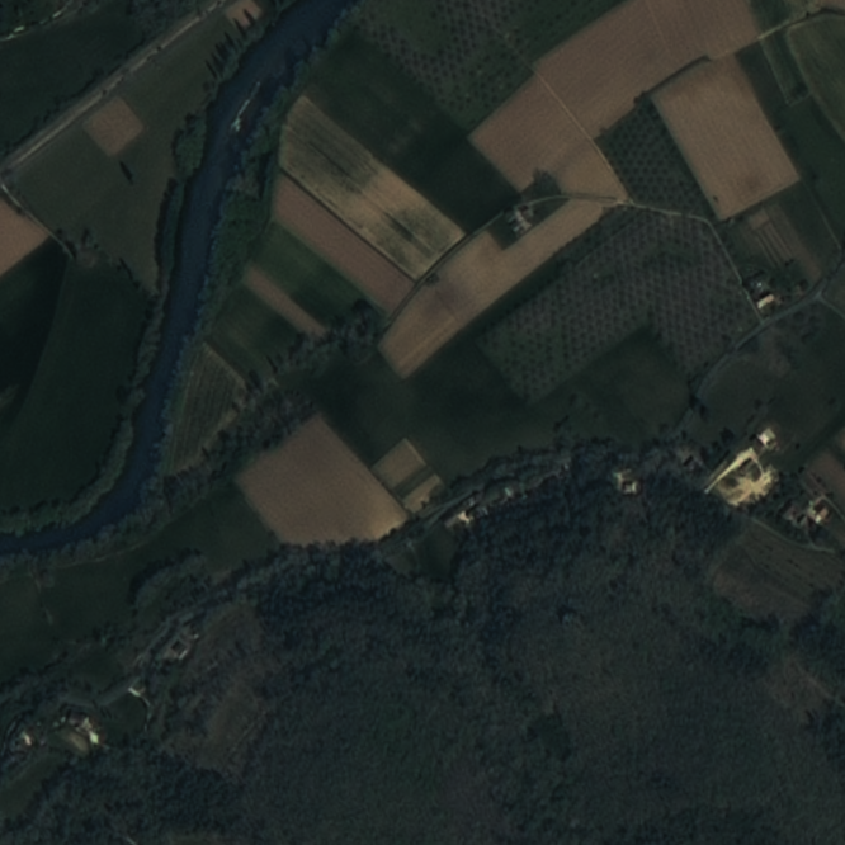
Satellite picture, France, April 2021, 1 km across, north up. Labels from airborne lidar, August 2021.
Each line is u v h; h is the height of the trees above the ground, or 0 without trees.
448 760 18
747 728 15
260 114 9
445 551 0
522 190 0
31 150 0
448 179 0
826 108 0
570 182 0
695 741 16
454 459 0
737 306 9
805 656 17
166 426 19
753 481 0
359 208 0
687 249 13
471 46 10
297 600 16
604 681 11
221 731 0
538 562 16
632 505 14
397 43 11
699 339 13
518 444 0
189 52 0
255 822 13
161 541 0
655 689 18
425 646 20
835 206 0
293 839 12
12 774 17
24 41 0
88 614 0
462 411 0
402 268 0
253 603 13
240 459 13
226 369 0
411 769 19
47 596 0
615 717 12
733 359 6
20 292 0
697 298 13
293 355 14
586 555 13
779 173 0
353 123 0
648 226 12
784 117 0
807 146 0
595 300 12
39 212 0
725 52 0
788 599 0
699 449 12
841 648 21
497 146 0
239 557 0
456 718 19
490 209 0
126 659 0
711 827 9
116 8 0
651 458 15
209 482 12
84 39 0
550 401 0
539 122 0
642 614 16
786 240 0
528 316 13
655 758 15
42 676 12
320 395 0
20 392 0
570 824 17
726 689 15
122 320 0
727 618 19
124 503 0
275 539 8
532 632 13
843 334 0
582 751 15
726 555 18
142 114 0
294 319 0
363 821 12
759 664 18
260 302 0
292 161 0
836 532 0
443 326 0
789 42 0
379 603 20
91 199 0
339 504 0
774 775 14
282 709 11
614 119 0
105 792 21
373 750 13
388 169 0
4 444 0
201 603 13
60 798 19
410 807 16
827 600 17
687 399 0
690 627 21
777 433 0
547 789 18
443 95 8
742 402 0
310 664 14
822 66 0
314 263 0
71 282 0
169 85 0
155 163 0
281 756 13
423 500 0
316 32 0
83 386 0
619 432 0
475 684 20
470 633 20
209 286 14
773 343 0
